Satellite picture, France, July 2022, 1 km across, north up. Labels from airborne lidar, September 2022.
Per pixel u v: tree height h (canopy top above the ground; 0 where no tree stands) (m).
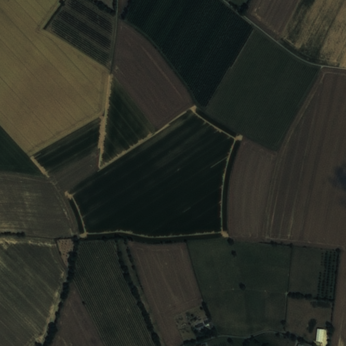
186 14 6
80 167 0
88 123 0
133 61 0
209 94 5
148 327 12
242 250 0
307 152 0
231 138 0
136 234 0
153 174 0
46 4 0
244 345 15
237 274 0
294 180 0
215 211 0
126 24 0
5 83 0
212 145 0
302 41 0
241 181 0
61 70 0
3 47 0
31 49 0
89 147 0
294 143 0
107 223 0
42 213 0
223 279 0
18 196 0
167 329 0
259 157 0
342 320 0
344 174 0
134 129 0
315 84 0
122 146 0
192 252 0
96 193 0
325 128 0
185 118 0
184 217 0
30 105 0
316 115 0
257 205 0
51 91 0
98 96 0
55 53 0
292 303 0
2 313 0
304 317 0
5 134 0
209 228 0
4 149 0
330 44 0
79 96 0
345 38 0
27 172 0
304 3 0
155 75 0
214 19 6
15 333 0
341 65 0
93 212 0
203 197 0
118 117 0
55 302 0
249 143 0
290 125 0
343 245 0
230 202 0
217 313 0
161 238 0
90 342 0
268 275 0
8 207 0
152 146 0
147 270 0
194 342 13
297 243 0
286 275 0
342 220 0
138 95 0
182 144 0
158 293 0
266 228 0
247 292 0
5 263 0
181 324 0
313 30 0
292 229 0
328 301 10
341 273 0
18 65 0
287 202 0
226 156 0
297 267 0
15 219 0
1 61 0
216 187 0
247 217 0
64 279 0
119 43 0
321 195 0
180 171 0
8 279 0
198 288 0
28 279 0
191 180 0
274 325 0
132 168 0
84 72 0
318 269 0
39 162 0
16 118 0
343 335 0
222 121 0
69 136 0
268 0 0
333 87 0
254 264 0
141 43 0
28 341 0
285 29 0
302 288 0
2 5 0
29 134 0
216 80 6
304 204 0
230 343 18
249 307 0
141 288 7
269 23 0
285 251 0
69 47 0
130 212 0
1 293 0
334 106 0
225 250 0
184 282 0
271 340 0
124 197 0
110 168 0
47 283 0
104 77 0
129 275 18
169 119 0
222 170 0
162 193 0
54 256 0
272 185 0
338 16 0
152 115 0
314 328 0
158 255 0
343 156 0
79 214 0
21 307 0
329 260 6
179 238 0
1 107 0
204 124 0
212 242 0
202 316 0
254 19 0
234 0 0
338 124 0
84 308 0
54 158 0
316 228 0
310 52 0
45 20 0
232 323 0
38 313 0
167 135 0
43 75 0
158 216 0
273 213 0
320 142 0
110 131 0
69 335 0
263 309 0
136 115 0
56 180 0
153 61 0
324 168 0
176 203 0
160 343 13
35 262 0
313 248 0
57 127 0
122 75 0
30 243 0
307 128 0
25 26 0
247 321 0
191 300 0
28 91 0
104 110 0
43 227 0
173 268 0
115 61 0
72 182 0
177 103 0
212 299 0
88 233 0
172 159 0
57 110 0
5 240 0
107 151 0
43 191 0
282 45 0
